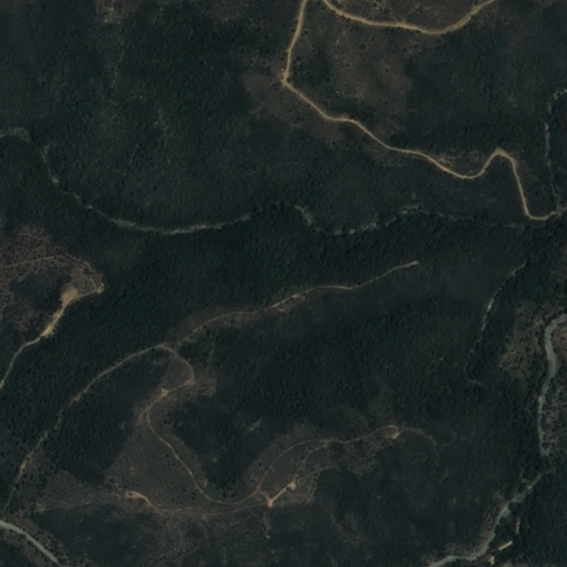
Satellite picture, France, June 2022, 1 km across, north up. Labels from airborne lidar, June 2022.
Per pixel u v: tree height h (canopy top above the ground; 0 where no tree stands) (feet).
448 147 29
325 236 61
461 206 20
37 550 26
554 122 33
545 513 37
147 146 34
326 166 28
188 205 30
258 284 42
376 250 50
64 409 20
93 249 23
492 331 27
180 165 19
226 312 0
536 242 33
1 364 39
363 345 38
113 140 18
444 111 28
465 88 18
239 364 24
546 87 38
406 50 21
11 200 30
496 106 29
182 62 31
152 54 33
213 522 0
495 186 25
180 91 21
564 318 0
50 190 40
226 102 23
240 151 17
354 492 26
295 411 20
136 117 31
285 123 0
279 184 34
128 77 20
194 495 26
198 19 34
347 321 21
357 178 26
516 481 29
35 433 40
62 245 21
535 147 29
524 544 29
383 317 28
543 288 28
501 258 19
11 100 19
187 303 20
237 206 17
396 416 20
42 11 21
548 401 25
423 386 43
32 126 28
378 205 32
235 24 28
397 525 26
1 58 17
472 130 27
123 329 26
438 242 38
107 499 0
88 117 24
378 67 0
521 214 23
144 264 40
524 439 27
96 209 27
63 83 40
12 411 39
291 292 20
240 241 72
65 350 23
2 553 26
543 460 39
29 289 25
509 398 41
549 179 21
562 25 25
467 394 56
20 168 21
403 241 42
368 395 25
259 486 0
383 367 27
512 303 44
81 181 29
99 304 18
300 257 64
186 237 42
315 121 0
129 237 24
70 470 22
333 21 0
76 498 0
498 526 31
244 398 21
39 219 41
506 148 31
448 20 0
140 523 0
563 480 20
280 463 0
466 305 31
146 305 24
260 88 0
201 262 33
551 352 0
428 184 20
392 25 0
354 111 21
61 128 37
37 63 21
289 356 21
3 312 23
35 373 43
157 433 0
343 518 21
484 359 31
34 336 26
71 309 26
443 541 23
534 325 24
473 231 40
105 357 26
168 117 20
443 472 25
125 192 26
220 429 26
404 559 29
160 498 0
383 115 0
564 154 31
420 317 21
